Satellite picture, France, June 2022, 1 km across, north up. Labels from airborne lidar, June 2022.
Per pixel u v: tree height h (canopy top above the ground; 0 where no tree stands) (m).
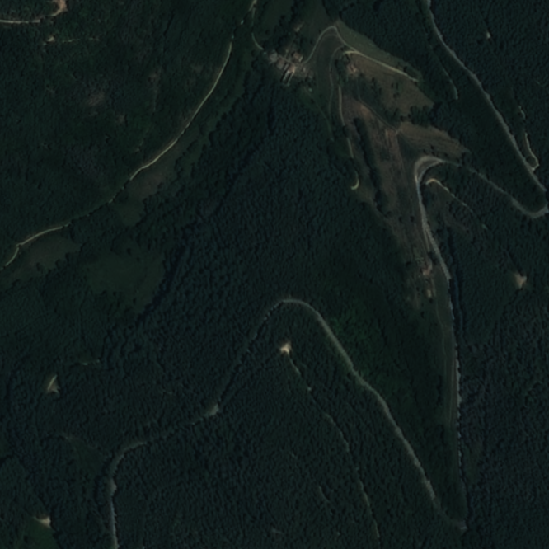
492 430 17
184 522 16
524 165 11
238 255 29
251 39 8
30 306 23
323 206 36
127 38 18
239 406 20
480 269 31
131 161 17
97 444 22
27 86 18
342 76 6
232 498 23
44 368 15
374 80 10
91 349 17
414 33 32
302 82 12
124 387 27
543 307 18
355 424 23
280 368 13
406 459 25
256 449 31
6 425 30
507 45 27
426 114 11
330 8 13
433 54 22
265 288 20
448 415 0
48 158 17
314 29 0
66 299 14
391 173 0
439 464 11
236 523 22
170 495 16
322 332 11
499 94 13
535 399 17
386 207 18
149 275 0
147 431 23
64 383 17
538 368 19
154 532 14
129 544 24
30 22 7
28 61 20
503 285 33
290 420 21
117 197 12
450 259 19
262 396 23
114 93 18
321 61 0
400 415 16
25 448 35
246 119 15
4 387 21
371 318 12
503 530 28
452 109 20
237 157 16
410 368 13
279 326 15
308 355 25
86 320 18
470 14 27
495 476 18
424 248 0
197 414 25
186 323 31
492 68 31
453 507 23
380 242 29
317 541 19
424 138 0
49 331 21
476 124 12
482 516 15
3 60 22
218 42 20
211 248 34
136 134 12
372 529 25
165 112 15
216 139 31
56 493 33
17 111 23
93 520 24
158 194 16
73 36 12
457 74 12
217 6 30
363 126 15
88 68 13
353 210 35
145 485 14
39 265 17
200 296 37
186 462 21
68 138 26
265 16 14
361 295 14
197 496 22
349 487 33
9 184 28
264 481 16
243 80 0
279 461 18
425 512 21
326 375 21
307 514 18
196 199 14
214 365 32
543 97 19
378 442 14
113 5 12
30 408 33
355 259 28
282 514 23
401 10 34
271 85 20
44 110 24
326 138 36
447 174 10
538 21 18
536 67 20
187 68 7
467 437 24
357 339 16
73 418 26
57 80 20
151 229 15
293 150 35
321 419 22
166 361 28
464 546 18
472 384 19
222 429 21
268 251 22
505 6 31
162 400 18
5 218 40
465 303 40
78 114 24
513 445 27
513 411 21
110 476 23
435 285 0
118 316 19
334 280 9
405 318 19
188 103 15
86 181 22
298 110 40
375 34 31
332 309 17
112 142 21
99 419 20
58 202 26
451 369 0
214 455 28
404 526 16
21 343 14
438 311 0
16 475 37
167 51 22
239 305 23
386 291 17
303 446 25
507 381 23
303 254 23
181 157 10
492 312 31
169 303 36
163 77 7
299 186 32
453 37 26
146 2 13
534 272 31
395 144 0
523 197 22
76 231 32
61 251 0
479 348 16
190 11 20
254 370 25
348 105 0
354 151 0
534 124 18
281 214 14
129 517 15
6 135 18
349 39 0
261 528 21
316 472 23
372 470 29
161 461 23
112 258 0
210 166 21
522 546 31
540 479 20
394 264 33
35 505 40
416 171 0
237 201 25
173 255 19
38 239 11
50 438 16
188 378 24
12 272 7
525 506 22
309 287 24
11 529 12
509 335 14
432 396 20
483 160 15
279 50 17
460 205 16
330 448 24
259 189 18
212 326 35
